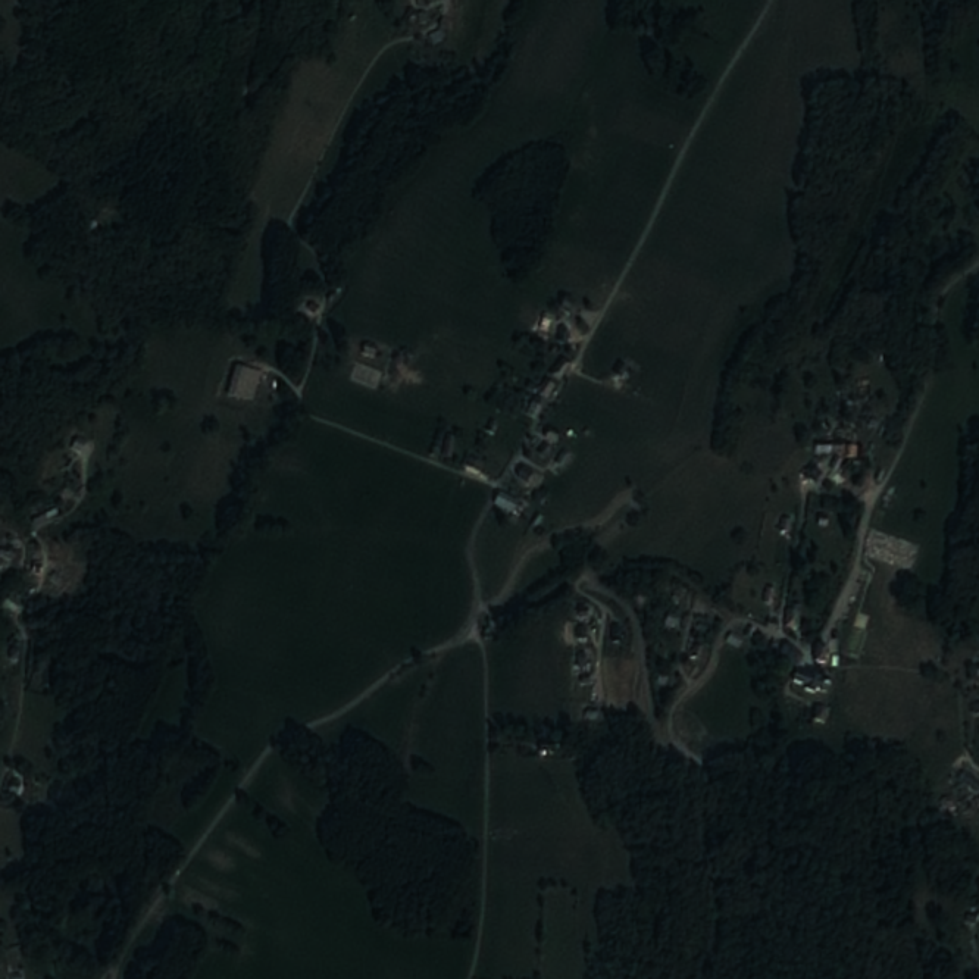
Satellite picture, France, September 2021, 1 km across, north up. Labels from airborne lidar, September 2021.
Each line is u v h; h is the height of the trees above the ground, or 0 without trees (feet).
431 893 65
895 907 70
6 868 0
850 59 0
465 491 0
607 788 64
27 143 75
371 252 0
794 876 82
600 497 0
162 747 60
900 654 0
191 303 73
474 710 0
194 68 73
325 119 0
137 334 76
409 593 0
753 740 23
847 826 69
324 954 0
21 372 50
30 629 48
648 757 77
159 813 0
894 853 65
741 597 0
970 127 55
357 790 56
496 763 0
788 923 74
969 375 0
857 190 67
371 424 0
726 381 44
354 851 56
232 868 0
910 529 0
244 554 0
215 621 0
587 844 0
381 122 73
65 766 64
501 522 54
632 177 0
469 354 0
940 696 0
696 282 0
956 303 0
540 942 34
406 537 0
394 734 0
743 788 78
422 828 54
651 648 26
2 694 0
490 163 0
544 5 0
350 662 0
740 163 0
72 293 53
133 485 0
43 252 58
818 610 42
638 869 51
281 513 0
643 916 42
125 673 73
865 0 39
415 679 0
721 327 0
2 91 74
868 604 0
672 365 0
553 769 0
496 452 0
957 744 0
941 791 0
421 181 0
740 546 30
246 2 30
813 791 100
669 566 54
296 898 0
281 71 41
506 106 0
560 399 0
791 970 79
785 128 0
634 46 0
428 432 0
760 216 0
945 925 74
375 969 0
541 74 0
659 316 0
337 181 41
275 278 67
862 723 0
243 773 59
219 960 0
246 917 0
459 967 0
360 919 0
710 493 0
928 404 0
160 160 98
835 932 95
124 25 66
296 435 49
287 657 0
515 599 0
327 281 48
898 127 55
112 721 59
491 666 0
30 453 51
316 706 0
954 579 52
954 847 88
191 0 78
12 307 0
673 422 0
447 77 38
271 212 0
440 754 0
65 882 70
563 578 45
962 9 69
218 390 0
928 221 32
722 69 0
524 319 0
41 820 66
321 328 0
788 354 56
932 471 0
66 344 60
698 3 0
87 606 47
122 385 82
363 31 0
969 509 71
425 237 0
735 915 69
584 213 0
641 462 0
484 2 0
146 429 0
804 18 0
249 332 79
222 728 0
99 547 49
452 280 0
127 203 99
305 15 67
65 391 89
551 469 0
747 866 41
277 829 42
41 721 0
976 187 31
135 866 73
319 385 0
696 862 67
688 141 0
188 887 0
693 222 0
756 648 40
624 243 0
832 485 22
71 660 85
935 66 23
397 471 0
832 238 67
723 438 55
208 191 70
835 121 72
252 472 73
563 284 0
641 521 58
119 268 56
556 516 0
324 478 0
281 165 0
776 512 0
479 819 0
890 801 64
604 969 64
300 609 0
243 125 55
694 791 79
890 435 30
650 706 0
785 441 0
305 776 69
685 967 92
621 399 0
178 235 74
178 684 0
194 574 72
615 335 0
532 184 22
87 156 69
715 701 0
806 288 51
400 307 0
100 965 36
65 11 63
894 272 86
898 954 73
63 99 61
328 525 0
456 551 0
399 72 0
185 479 0
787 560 0
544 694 0
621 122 0
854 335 61
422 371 0
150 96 60
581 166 0
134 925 62
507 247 34
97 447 0
